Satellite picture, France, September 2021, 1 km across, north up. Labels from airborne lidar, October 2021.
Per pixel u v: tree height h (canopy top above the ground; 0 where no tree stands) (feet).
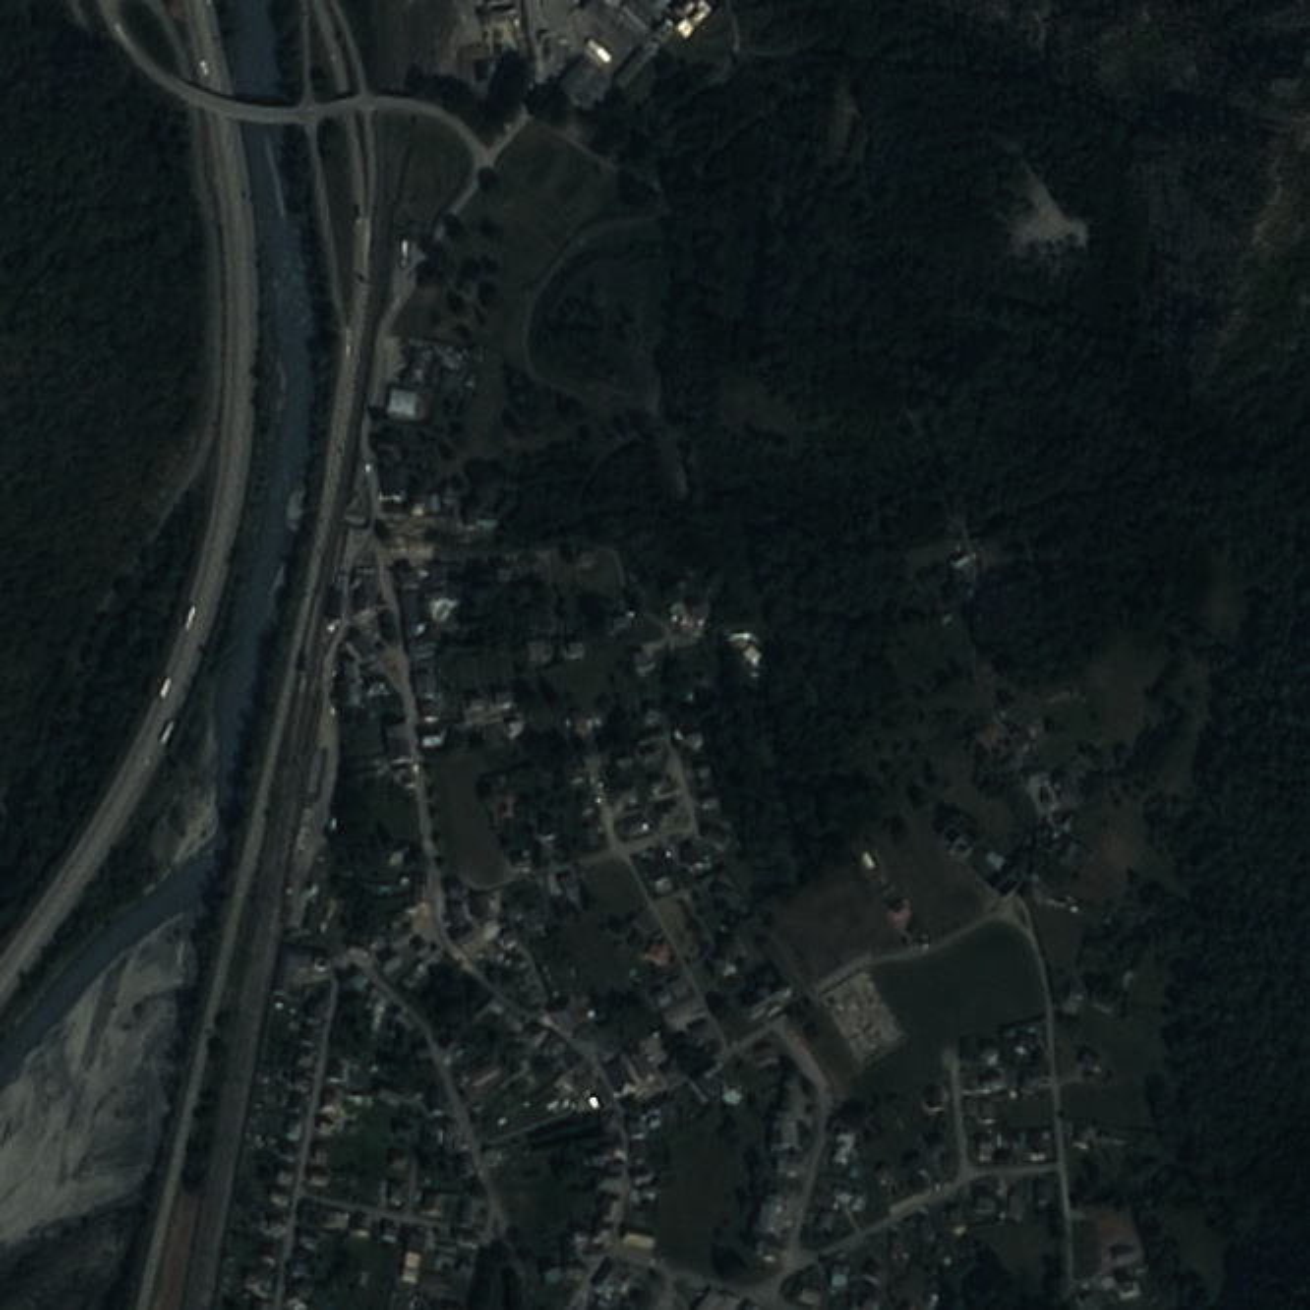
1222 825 69
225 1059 34
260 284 27
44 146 55
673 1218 0
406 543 0
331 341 44
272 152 0
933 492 40
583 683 0
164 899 0
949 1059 0
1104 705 0
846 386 61
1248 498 96
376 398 0
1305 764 63
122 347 96
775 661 49
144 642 28
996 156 38
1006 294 49
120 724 44
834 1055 0
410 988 29
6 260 80
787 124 48
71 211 67
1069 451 52
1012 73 23
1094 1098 0
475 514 41
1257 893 67
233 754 0
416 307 0
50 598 65
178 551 49
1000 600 72
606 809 0
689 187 70
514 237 0
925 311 50
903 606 77
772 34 22
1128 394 49
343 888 22
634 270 0
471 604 33
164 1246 0
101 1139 0
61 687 96
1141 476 75
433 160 0
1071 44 49
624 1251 0
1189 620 24
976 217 44
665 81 29
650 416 0
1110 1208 32
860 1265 0
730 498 24
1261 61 70
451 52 0
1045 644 67
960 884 0
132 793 0
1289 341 33
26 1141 0
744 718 77
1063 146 64
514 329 0
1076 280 49
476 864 0
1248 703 83
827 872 91
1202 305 20
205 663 40
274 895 0
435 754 46
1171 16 32
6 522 80
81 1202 0
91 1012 0
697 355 48
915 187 48
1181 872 35
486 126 50
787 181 33
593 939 0
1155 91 72
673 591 40
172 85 0
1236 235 40
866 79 46
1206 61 25
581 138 0
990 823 0
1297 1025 62
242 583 23
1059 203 46
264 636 0
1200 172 35
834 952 0
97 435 66
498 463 0
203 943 47
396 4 0
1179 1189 30
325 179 0
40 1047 0
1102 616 95
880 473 22
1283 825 64
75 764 47
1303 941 63
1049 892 0
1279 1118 54
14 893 55
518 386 52
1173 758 66
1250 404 59
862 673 66
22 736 44
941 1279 19
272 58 0
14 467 38
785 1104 28
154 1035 0
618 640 31
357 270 0
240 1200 26
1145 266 24
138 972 0
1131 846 0
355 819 71
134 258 92
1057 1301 44
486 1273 43
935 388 64
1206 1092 59
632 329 54
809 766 84
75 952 47
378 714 0
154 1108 0
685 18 0
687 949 0
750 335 25
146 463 67
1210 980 64
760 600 56
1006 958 0
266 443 22
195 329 42
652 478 34
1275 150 33
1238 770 67
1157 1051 0
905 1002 0
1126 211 58
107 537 51
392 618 33
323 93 33
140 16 0
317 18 0
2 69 77
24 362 39
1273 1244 34
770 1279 0
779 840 33
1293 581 86
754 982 29
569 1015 0
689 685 33
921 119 51
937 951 0
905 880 0
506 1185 0
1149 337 61
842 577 60
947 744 0
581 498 27
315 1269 22
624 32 0
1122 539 75
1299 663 72
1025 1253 0
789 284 81
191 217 45
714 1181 0
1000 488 66
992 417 71
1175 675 21
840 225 27
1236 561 83
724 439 29
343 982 45
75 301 73
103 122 65
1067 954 0
